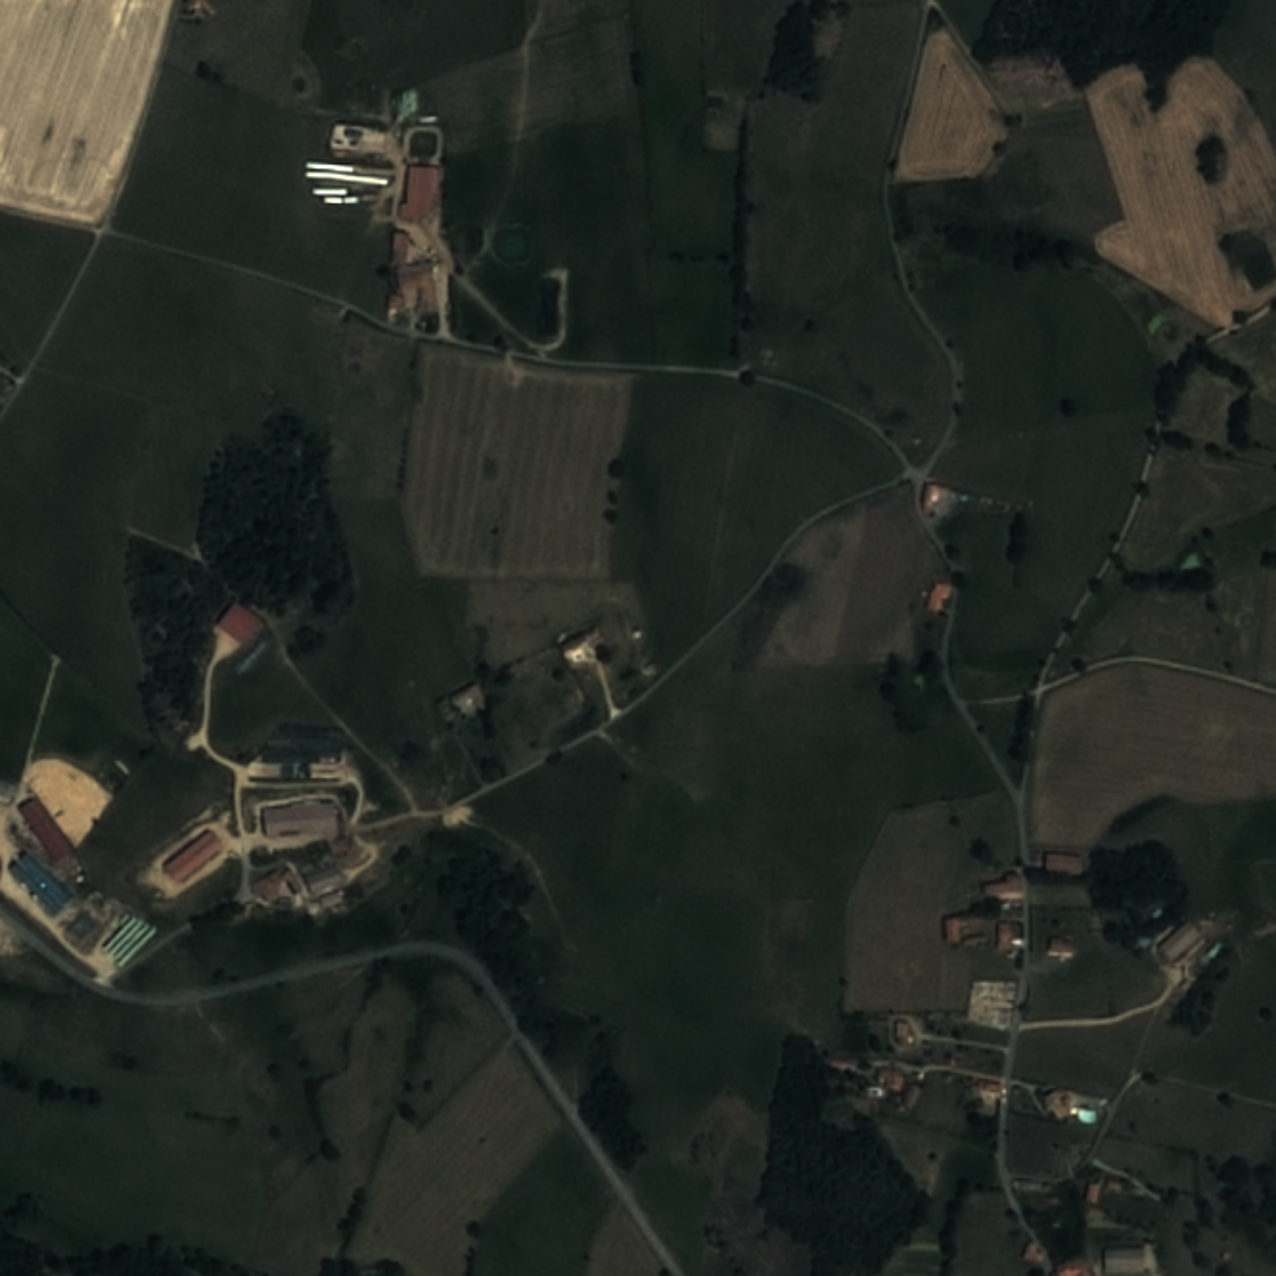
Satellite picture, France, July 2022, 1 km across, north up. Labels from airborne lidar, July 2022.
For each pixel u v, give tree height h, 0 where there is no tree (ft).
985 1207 0
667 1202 0
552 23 0
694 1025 0
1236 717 0
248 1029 0
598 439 0
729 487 0
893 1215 25
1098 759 0
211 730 0
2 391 0
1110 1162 0
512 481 0
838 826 0
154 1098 0
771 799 0
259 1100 0
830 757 0
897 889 0
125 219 0
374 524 0
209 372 0
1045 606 0
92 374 0
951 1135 0
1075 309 0
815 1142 31
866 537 0
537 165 0
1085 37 36
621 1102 41
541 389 0
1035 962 0
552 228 0
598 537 0
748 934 0
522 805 0
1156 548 0
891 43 0
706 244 0
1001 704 0
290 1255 0
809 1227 19
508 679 25
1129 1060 0
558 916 0
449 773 0
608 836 0
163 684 26
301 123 0
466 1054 0
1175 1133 0
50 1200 0
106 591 0
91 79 0
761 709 0
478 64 0
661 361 0
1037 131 0
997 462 0
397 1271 52
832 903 0
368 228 0
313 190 0
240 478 28
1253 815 0
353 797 0
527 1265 0
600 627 0
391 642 0
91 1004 0
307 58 0
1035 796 0
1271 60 0
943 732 0
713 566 0
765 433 0
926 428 0
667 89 0
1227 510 0
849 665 0
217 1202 0
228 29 0
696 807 0
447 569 0
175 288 0
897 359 0
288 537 30
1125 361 0
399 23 0
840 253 0
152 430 0
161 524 0
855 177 0
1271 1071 0
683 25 0
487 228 0
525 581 0
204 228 0
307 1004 0
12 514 0
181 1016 0
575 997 0
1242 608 0
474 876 27
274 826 0
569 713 0
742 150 19
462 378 0
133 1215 0
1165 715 0
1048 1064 0
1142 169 0
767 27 0
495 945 28
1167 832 0
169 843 0
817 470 0
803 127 0
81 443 0
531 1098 0
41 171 0
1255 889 0
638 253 0
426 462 0
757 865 0
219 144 0
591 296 0
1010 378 0
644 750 0
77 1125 0
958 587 31
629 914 0
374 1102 0
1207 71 0
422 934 0
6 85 0
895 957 0
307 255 0
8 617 0
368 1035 0
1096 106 0
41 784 0
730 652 0
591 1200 0
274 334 0
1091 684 0
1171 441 45
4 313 0
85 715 0
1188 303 0
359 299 0
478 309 0
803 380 0
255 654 0
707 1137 0
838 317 0
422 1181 0
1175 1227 0
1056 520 0
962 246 22
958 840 0
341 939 0
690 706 0
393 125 0
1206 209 0
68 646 0
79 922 0
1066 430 0
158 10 0
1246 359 0
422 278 0
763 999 0
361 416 0
